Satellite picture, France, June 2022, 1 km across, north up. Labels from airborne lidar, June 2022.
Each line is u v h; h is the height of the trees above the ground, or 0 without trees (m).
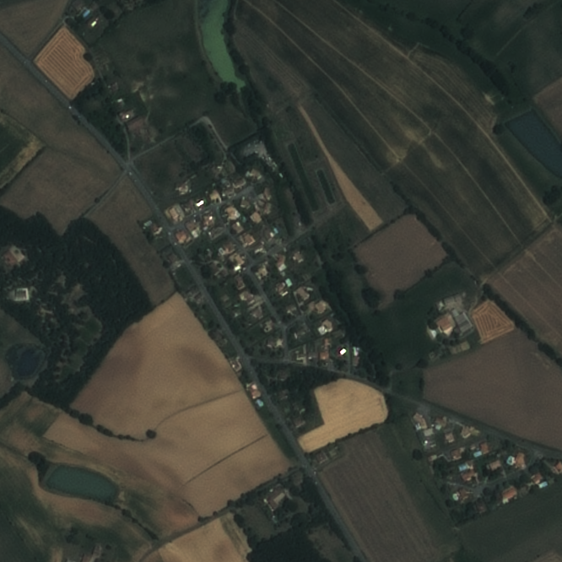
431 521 0
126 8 6
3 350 0
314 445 0
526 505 0
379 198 0
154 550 0
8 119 0
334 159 0
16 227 16
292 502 15
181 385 0
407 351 0
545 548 0
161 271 0
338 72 0
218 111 0
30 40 0
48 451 0
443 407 0
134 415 0
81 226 14
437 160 0
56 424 0
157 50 0
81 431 0
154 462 0
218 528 0
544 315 0
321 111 0
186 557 0
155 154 0
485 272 0
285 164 12
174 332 0
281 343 0
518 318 10
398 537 0
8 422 0
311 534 9
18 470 0
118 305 17
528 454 0
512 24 0
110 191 0
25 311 14
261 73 0
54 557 0
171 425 0
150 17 0
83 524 0
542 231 0
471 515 13
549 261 0
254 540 13
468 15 0
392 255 0
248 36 0
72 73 0
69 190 0
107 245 14
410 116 0
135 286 13
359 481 0
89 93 12
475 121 0
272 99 0
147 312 12
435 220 0
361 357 13
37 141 0
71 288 10
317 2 0
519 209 0
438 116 0
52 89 0
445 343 12
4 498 0
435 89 0
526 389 0
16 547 0
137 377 0
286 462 0
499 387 0
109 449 0
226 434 0
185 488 0
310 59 0
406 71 0
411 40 0
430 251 0
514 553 0
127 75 0
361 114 0
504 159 0
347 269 0
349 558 0
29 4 0
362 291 0
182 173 7
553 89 0
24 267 13
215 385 0
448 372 0
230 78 0
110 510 0
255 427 0
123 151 10
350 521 0
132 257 0
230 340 0
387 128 0
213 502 0
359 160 0
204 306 10
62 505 0
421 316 0
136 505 0
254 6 0
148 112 0
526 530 0
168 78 0
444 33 16
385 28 0
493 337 0
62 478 0
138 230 0
